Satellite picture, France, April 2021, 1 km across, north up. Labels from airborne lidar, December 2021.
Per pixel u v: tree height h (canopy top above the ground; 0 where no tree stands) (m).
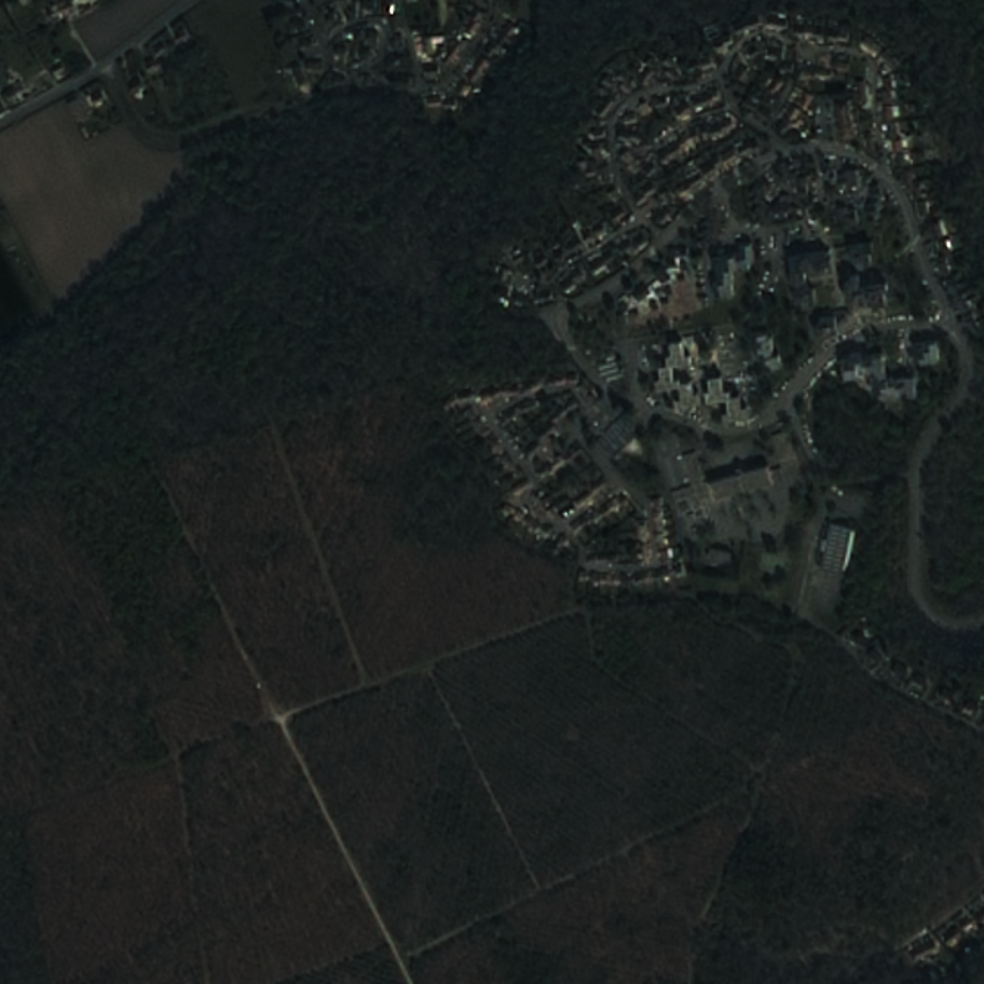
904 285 12
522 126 28
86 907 12
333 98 13
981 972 18
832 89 13
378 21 0
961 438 18
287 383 17
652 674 11
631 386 9
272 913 14
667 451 0
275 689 12
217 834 16
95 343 26
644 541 0
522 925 12
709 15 16
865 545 17
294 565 13
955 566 27
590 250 0
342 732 10
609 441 0
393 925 12
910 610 15
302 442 8
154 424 16
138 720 19
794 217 16
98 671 18
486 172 28
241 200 0
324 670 14
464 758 8
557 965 7
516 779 8
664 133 0
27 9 0
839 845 9
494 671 7
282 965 14
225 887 15
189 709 14
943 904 7
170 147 0
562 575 13
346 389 16
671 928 15
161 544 17
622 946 6
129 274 18
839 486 0
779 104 0
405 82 9
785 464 0
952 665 11
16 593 16
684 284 0
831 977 7
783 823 12
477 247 17
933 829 9
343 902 15
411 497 15
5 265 0
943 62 24
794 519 0
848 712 7
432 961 9
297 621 14
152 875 13
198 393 16
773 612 12
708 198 14
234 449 11
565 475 12
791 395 0
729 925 7
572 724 7
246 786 17
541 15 20
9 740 14
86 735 17
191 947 19
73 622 17
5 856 15
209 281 0
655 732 11
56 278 0
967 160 26
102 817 12
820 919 8
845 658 14
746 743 6
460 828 7
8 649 15
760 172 12
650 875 7
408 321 15
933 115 16
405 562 13
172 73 14
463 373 9
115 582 16
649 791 8
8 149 0
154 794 14
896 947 7
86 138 0
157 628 17
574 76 23
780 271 0
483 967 15
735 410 0
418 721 8
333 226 18
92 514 17
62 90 0
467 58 0
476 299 21
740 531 0
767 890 16
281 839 14
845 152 0
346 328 14
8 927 19
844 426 19
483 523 7
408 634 12
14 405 25
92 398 15
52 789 13
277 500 11
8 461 15
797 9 14
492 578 13
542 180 19
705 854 11
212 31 0
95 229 0
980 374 12
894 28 22
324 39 0
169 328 20
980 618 11
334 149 25
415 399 12
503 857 7
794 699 10
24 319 0
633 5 22
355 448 8
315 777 11
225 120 0
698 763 11
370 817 13
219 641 15
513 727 8
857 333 0
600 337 15
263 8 0
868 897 14
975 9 18
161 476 15
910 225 0
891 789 13
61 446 18
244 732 16
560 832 6
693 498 0
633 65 6
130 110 0
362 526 10
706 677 14
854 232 0
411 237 18
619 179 0
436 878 8
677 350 0
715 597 12
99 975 11
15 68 0
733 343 0
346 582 7
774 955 9
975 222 23
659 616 13
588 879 13
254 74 0
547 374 13
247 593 13
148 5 0
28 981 15
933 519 13
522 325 16
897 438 18
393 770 12
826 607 0
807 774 14
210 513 12
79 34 0
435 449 9
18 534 17
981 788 14
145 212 0
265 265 19
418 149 23
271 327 14
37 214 0
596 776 8
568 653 9
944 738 11
